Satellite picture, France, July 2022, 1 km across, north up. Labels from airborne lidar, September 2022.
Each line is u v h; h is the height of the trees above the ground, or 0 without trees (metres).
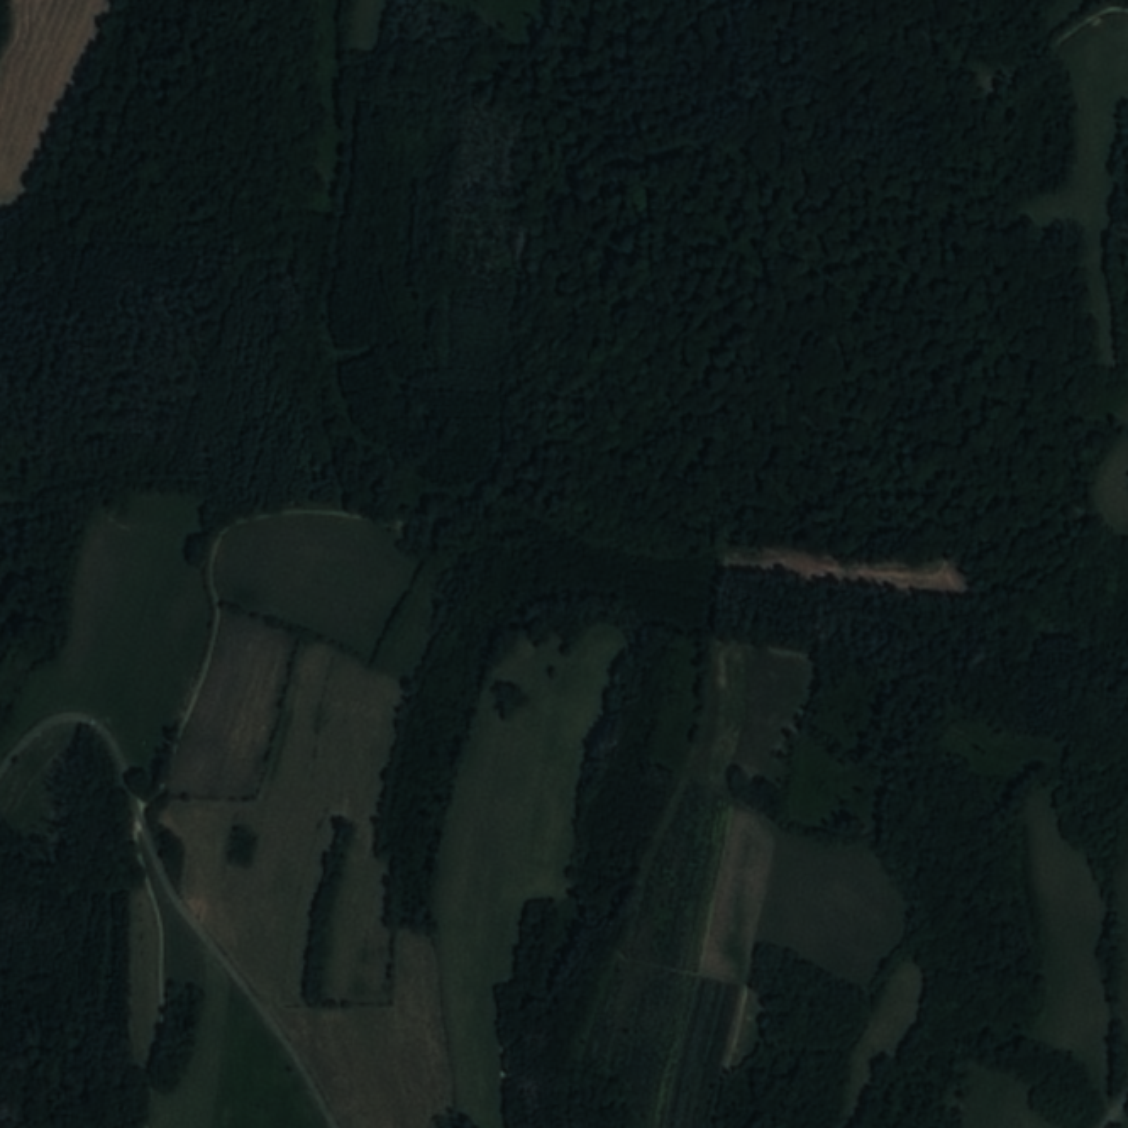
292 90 16
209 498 15
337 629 0
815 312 27
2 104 0
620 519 18
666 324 28
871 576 0
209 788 0
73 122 16
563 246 21
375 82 18
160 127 10
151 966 0
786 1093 14
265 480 16
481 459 9
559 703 0
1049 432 22
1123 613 9
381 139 12
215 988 0
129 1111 19
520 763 0
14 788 0
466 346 12
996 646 24
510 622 7
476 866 0
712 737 0
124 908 9
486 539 16
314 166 11
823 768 0
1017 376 24
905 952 10
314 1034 0
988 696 23
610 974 11
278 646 0
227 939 0
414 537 18
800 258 25
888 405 25
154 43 7
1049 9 9
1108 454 7
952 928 17
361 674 0
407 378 8
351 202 16
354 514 15
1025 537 23
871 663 25
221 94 9
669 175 29
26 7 0
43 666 8
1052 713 23
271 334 15
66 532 14
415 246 15
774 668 0
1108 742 18
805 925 0
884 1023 0
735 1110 7
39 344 26
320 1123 0
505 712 15
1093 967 0
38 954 15
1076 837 13
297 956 0
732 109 40
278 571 0
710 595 7
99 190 11
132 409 11
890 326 15
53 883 19
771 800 26
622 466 15
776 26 26
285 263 23
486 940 0
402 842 7
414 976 0
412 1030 0
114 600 0
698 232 20
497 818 0
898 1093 16
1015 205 22
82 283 20
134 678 0
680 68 30
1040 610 21
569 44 8
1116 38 0
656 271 27
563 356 22
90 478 17
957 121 21
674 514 18
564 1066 22
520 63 10
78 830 18
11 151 0
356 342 16
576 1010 19
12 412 21
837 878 0
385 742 0
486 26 24
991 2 23
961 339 23
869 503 19
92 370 15
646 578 9
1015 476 21
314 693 0
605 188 10
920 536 18
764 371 26
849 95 27
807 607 24
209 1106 0
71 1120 19
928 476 28
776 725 0
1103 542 24
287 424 12
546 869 0
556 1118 19
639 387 22
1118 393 9
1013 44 21
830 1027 16
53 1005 18
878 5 19
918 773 24
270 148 17
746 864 0
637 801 13
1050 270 28
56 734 0
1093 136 0
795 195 28
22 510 14
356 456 22
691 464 7
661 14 25
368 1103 0
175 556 0
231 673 0
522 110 21
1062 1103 8
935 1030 21
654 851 7
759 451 22
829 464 25
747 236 23
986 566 20
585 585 8
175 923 0
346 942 0
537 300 21
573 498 24
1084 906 0
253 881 0
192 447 16
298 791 0
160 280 17
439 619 7
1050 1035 0
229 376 15
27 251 22
